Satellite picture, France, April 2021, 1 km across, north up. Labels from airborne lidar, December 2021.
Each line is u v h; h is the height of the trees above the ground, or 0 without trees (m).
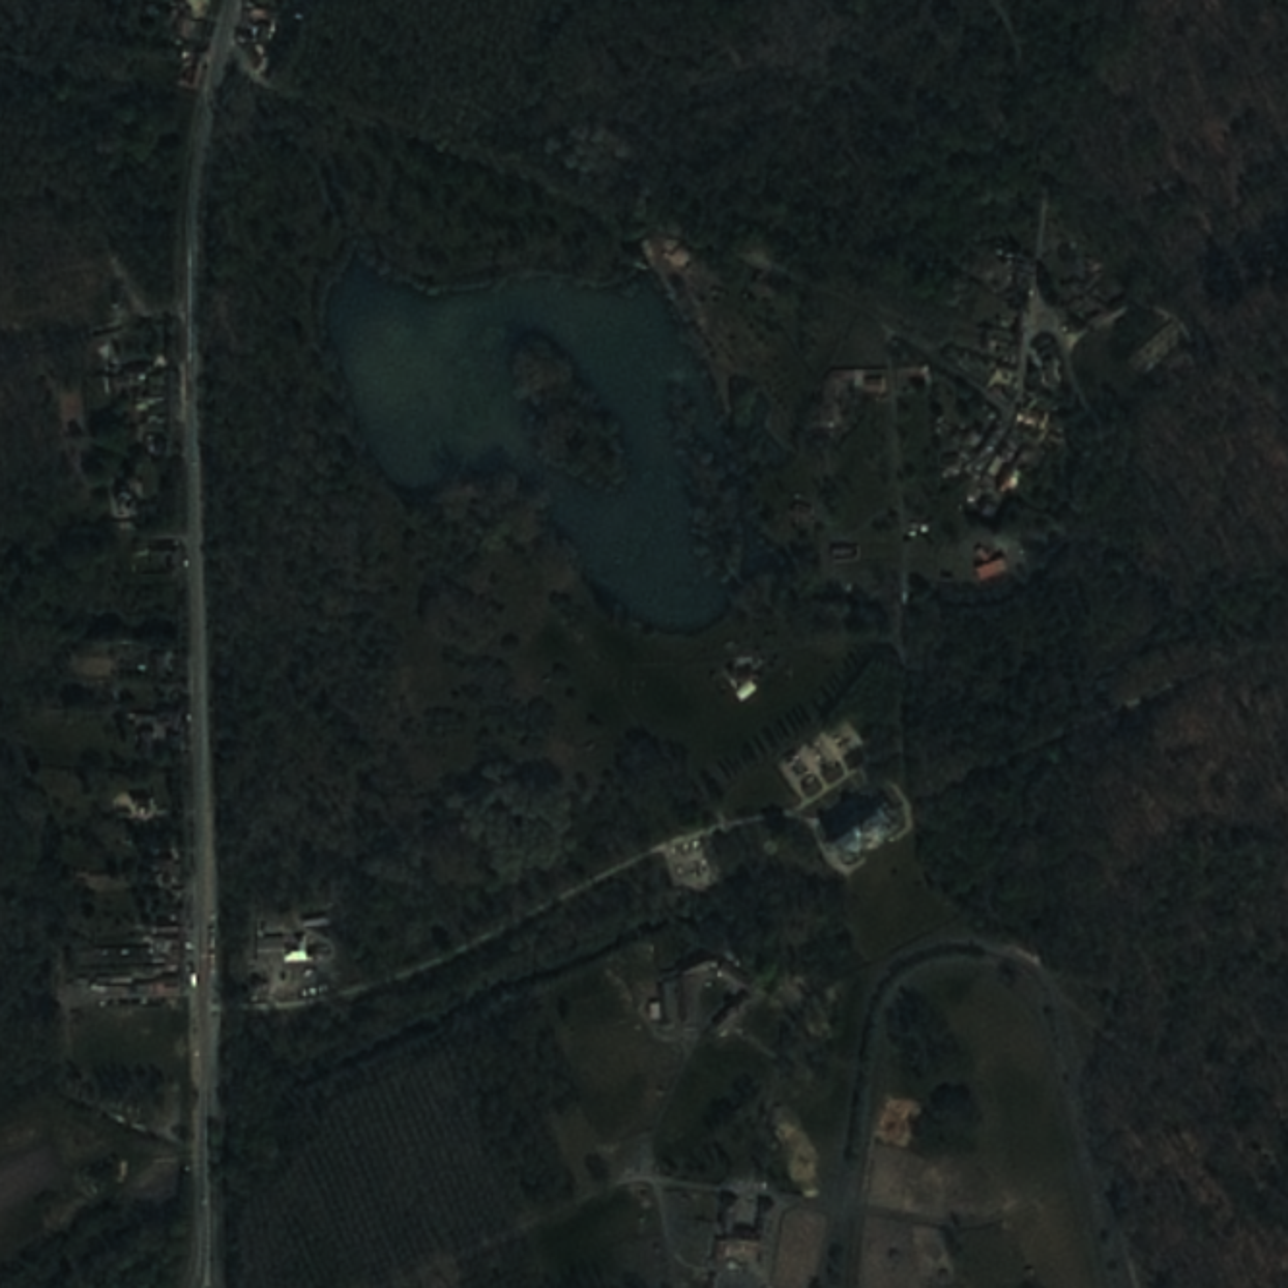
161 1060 0
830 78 15
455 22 30
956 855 21
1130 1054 19
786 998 0
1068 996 0
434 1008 12
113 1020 0
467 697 8
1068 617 19
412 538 7
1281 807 9
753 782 0
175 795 12
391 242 19
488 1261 30
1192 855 17
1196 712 24
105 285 0
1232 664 21
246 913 11
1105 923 23
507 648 7
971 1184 0
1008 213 18
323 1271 31
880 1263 0
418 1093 34
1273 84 17
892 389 0
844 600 21
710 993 0
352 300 0
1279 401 22
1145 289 20
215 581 14
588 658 0
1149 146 18
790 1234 0
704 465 19
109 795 21
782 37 23
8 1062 24
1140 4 28
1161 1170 8
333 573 17
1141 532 18
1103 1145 18
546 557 20
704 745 0
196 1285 0
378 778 10
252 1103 22
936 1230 0
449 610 21
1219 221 18
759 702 0
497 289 15
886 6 20
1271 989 10
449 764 0
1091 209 21
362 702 7
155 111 22
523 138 25
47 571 21
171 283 16
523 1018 29
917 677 19
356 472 24
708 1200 0
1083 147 26
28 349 22
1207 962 18
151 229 25
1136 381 0
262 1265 34
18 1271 8
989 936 15
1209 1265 26
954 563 0
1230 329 22
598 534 0
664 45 20
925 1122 0
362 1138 6
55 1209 0
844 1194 0
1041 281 12
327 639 6
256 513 15
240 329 17
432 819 7
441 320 0
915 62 16
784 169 8
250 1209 32
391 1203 34
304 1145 33
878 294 17
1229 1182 20
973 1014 0
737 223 19
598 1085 0
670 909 16
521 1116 18
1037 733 14
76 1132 0
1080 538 23
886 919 0
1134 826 24
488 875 24
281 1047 10
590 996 0
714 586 0
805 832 22
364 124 0
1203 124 18
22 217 16
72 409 0
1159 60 20
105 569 17
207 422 16
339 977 0
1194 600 19
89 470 19
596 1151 0
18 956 16
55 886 11
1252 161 15
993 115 23
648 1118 0
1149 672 21
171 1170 0
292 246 23
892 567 0
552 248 13
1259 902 21
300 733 24
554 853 23
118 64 20
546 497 16
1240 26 22
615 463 20
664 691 0
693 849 0
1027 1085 0
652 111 13
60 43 8
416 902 21
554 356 19
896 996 0
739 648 0
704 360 9
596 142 30
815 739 0
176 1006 0
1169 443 26
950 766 29
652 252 0
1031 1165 0
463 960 7
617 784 11
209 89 0
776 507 0
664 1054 0
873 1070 6
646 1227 0
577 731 0
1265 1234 19
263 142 20
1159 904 17
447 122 22
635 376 0
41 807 22
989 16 9
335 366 10
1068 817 22
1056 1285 0
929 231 22
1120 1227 10
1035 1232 0
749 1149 0
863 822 0
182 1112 0
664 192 22
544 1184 27
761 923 30
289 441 16
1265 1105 21
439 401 0
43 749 0
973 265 16
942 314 17
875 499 0
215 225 9
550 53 33
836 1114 0
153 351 8
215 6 0
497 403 0
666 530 0
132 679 9
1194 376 15
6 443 28
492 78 29
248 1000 9
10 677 25
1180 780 24
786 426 0
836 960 14
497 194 28
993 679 23
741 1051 0
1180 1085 21
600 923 24
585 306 0
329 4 26
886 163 19
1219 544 25
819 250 8
